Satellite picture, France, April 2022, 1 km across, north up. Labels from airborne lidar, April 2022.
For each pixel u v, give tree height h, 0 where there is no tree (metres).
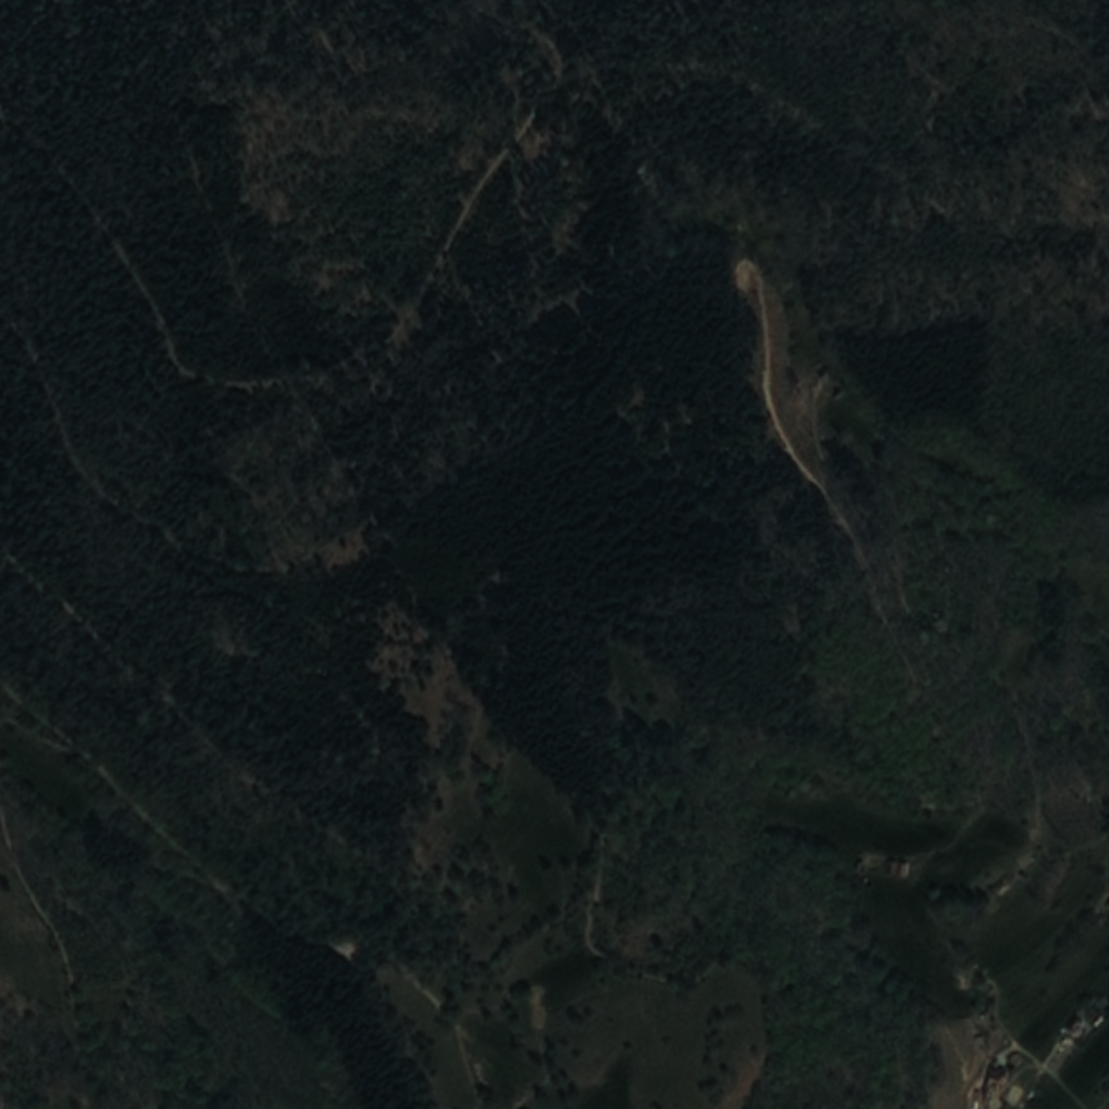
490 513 29
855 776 17
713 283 29
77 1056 20
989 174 18
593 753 27
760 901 20
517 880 0
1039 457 19
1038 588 24
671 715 0
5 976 0
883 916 0
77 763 21
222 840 8
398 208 15
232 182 9
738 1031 0
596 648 36
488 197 9
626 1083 0
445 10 15
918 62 18
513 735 22
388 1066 26
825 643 21
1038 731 28
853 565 24
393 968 11
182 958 25
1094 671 23
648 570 30
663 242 34
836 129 22
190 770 27
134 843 28
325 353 9
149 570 19
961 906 29
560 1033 0
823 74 18
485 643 10
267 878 19
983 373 29
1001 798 18
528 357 9
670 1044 6
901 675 16
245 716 22
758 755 21
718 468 17
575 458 27
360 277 12
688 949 11
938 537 19
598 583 32
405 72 11
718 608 24
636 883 10
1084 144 24
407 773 11
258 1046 27
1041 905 20
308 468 25
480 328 27
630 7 20
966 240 20
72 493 25
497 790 15
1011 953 0
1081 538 26
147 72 20
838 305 20
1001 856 0
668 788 19
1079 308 13
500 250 9
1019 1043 0
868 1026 25
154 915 16
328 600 11
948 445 17
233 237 15
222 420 19
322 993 26
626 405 8
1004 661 14
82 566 23
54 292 24
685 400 26
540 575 31
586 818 20
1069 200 17
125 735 28
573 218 9
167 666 24
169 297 7
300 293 10
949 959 7
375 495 7
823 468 0
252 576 11
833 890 24
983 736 24
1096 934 18
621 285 26
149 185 21
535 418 24
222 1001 25
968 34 14
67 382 21
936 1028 21
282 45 15
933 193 18
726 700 21
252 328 10
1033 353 16
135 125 9
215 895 22
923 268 16
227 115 10
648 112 32
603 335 19
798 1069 21
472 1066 0
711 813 24
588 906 10
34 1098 16
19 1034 15
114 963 13
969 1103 0
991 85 9
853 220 25
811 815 0
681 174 25
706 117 26
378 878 19
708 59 23
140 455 19
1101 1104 0
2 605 28
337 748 9
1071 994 0
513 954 13
